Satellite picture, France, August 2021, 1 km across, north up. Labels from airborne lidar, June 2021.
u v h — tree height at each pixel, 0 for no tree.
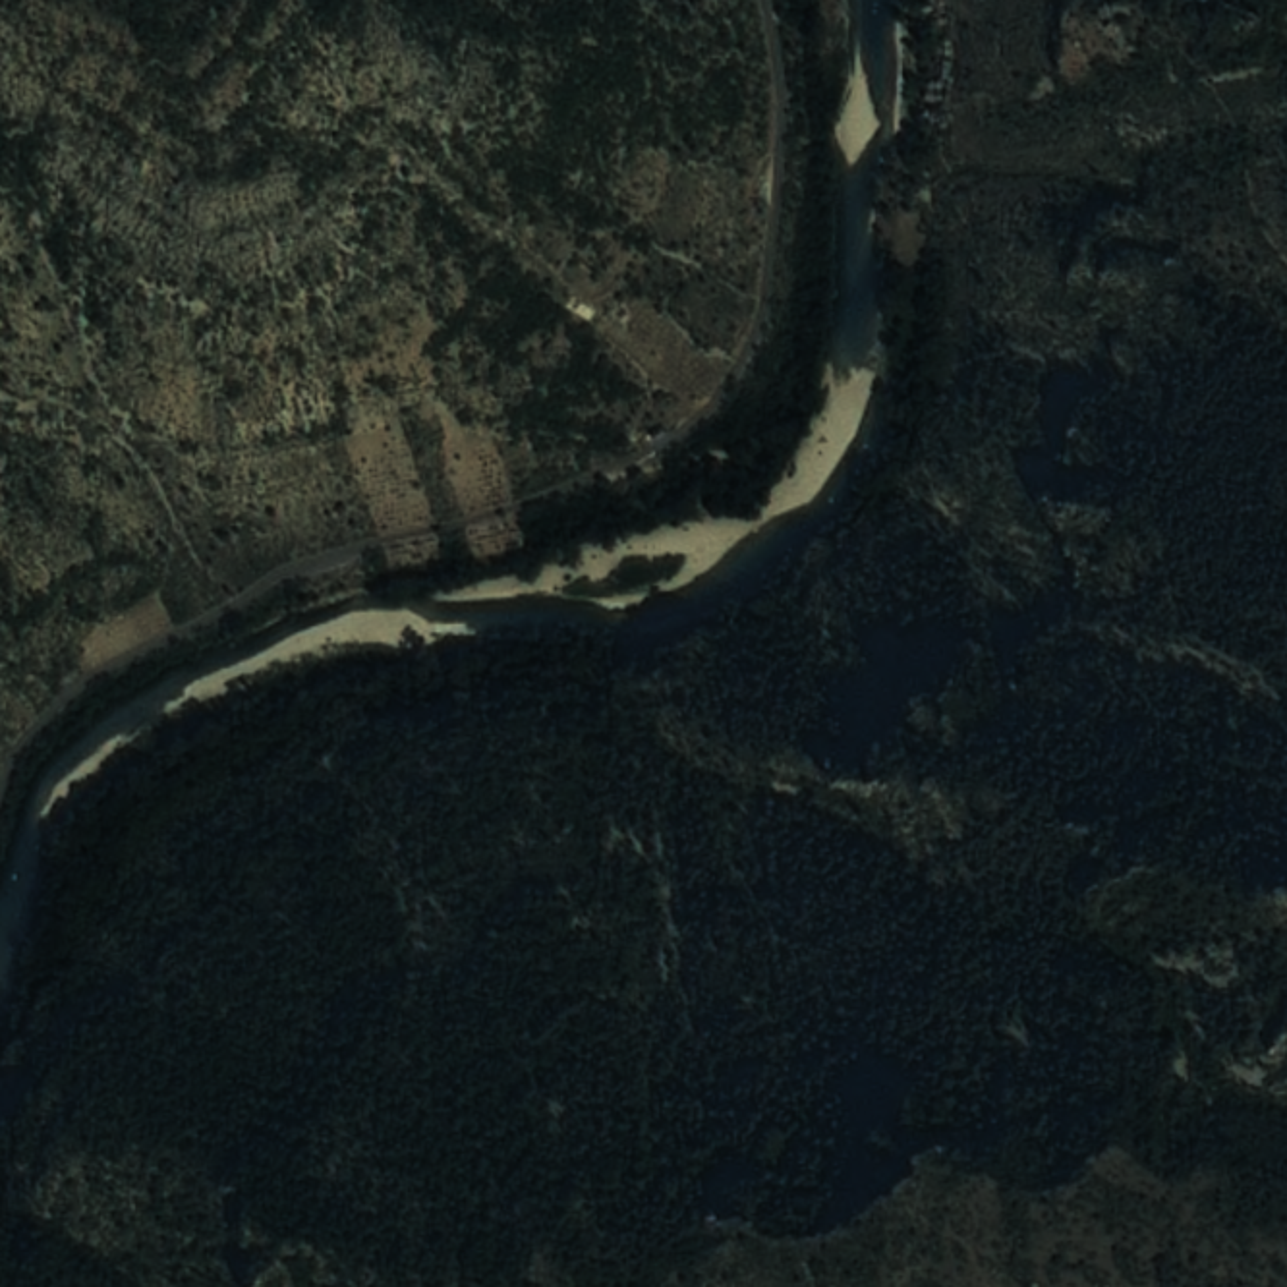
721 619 12
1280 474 9
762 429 16
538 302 9
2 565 10
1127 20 11
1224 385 11
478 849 8
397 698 14
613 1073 6
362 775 8
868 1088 13
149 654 6
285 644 0
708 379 0
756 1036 8
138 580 10
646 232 6
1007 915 7
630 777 11
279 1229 5
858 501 16
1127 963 7
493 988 6
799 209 6
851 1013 8
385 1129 6
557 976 6
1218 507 9
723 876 10
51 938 23
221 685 0
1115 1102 12
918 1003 19
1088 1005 6
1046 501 10
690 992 9
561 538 19
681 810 6
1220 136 6
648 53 5
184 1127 5
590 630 8
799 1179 22
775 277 5
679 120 7
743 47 11
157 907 9
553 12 5
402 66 0
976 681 8
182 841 9
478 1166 8
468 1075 9
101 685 12
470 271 7
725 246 6
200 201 0
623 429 8
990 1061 9
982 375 9
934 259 8
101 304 6
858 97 0
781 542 0
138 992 9
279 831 10
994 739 11
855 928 8
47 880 15
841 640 8
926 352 7
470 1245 7
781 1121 11
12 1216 9
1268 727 13
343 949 9
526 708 9
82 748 0
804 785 7
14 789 14
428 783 6
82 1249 6
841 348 0
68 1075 6
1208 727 11
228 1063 8
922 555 10
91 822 20
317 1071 7
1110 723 8
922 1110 9
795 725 10
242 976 7
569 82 7
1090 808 14
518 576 15
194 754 14
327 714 8
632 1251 7
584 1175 8
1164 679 9
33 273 16
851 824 6
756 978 11
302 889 6
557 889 9
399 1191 7
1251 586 11
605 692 5
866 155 0
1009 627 7
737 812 9
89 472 8
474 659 23
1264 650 11
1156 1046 14
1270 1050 6
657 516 14
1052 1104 8
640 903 7
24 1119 9
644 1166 8
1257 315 6
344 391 8
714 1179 9
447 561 12
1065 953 11
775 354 12
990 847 11
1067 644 6
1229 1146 9
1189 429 9
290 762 6
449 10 8
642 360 0
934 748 7
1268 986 11
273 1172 9
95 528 10
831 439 0
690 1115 13
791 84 9
